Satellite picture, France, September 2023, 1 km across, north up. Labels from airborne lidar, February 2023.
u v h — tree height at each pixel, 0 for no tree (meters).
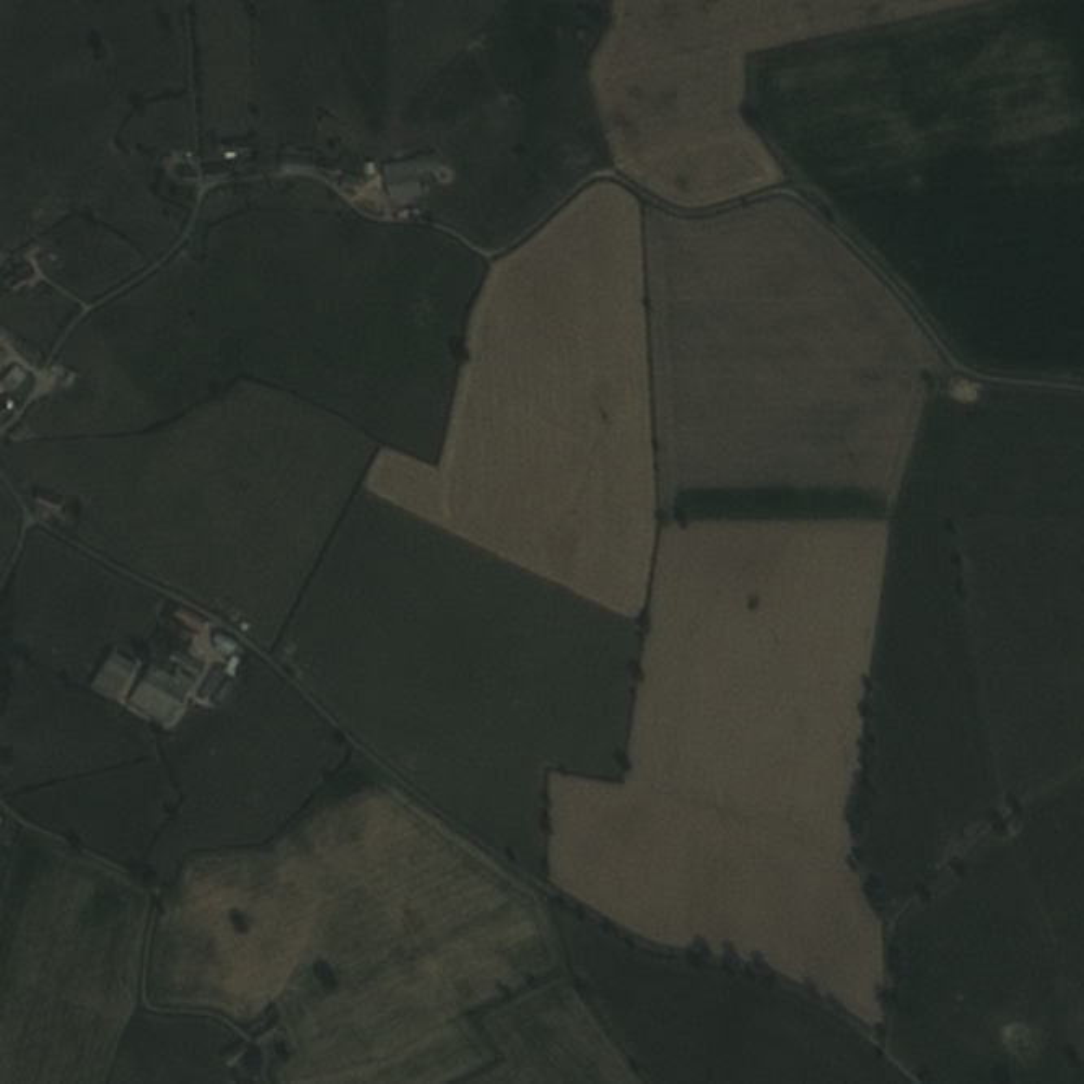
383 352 0
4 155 0
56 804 0
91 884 0
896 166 0
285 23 0
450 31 0
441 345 0
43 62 0
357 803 0
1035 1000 0
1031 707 0
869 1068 0
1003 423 0
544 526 0
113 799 0
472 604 0
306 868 0
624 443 0
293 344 0
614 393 0
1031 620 0
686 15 0
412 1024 0
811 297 0
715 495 0
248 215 0
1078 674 0
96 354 0
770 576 0
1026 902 0
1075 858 0
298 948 0
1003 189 0
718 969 0
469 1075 0
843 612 0
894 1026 0
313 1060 0
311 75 0
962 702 0
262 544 0
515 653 0
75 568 0
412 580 0
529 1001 0
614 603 0
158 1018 0
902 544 0
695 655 0
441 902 0
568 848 0
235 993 0
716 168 0
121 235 6
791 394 0
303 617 0
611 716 0
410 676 0
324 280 0
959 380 0
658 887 0
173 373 0
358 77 0
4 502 0
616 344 0
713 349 0
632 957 0
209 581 0
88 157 0
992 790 0
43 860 0
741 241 0
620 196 0
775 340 0
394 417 0
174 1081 0
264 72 0
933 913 0
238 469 0
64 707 0
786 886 0
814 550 0
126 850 0
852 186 0
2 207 0
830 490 0
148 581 0
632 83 0
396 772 0
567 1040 0
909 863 0
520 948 0
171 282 0
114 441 0
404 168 0
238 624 0
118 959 0
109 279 0
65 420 0
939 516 0
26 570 0
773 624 0
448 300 0
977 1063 0
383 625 0
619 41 0
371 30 0
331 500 0
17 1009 0
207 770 0
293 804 0
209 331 0
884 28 0
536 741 0
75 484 0
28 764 0
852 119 0
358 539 0
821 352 0
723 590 0
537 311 0
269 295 0
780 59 0
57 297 0
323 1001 0
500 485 0
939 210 0
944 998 0
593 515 0
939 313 0
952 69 0
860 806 17
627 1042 0
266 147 0
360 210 0
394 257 0
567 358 0
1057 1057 0
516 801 0
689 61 0
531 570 0
